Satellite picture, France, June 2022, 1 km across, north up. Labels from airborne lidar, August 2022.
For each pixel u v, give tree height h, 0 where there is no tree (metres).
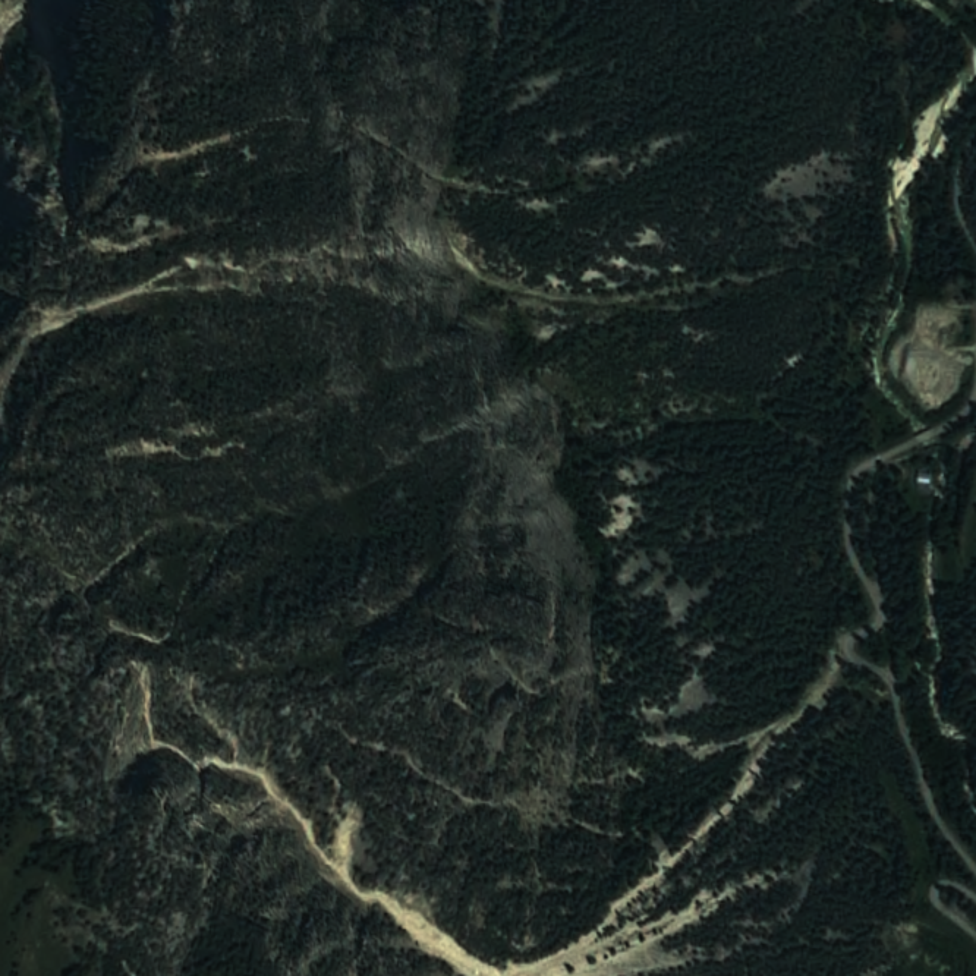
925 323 0
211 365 7
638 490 23
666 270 6
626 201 11
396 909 0
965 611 16
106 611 0
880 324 24
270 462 8
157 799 28
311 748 10
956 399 9
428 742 20
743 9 15
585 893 7
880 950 22
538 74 12
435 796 8
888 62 24
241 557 17
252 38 11
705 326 10
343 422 8
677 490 25
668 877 14
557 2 21
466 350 6
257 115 11
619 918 11
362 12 9
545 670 9
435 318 8
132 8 7
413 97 7
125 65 9
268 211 8
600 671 8
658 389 8
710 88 18
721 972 13
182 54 8
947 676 13
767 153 13
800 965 18
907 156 6
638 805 13
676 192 16
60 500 9
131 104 13
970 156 16
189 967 8
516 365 12
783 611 20
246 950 18
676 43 8
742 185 11
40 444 13
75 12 21
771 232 15
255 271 0
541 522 0
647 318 10
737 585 19
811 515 26
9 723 11
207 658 9
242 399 12
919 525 12
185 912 9
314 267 0
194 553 11
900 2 14
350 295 6
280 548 8
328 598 12
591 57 10
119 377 6
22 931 0
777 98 16
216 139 0
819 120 8
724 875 8
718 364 7
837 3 19
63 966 0
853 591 11
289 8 10
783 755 20
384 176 9
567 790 8
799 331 10
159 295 0
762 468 20
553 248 8
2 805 16
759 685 22
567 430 13
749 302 8
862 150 8
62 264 8
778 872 24
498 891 12
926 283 12
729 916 15
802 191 0
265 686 13
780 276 8
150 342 8
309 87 9
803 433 18
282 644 8
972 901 7
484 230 7
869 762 13
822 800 24
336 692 9
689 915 0
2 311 6
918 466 12
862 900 23
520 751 7
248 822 0
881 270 21
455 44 12
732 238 8
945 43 23
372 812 12
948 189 10
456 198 8
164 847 7
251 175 9
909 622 34
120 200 8
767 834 22
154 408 8
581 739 11
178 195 6
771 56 16
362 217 9
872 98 16
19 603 7
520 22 11
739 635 24
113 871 9
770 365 11
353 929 10
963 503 16
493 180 9
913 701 27
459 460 6
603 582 8
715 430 18
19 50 14
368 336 7
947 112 0
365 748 7
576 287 6
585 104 19
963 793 26
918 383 0
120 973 9
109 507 6
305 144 6
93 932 6
